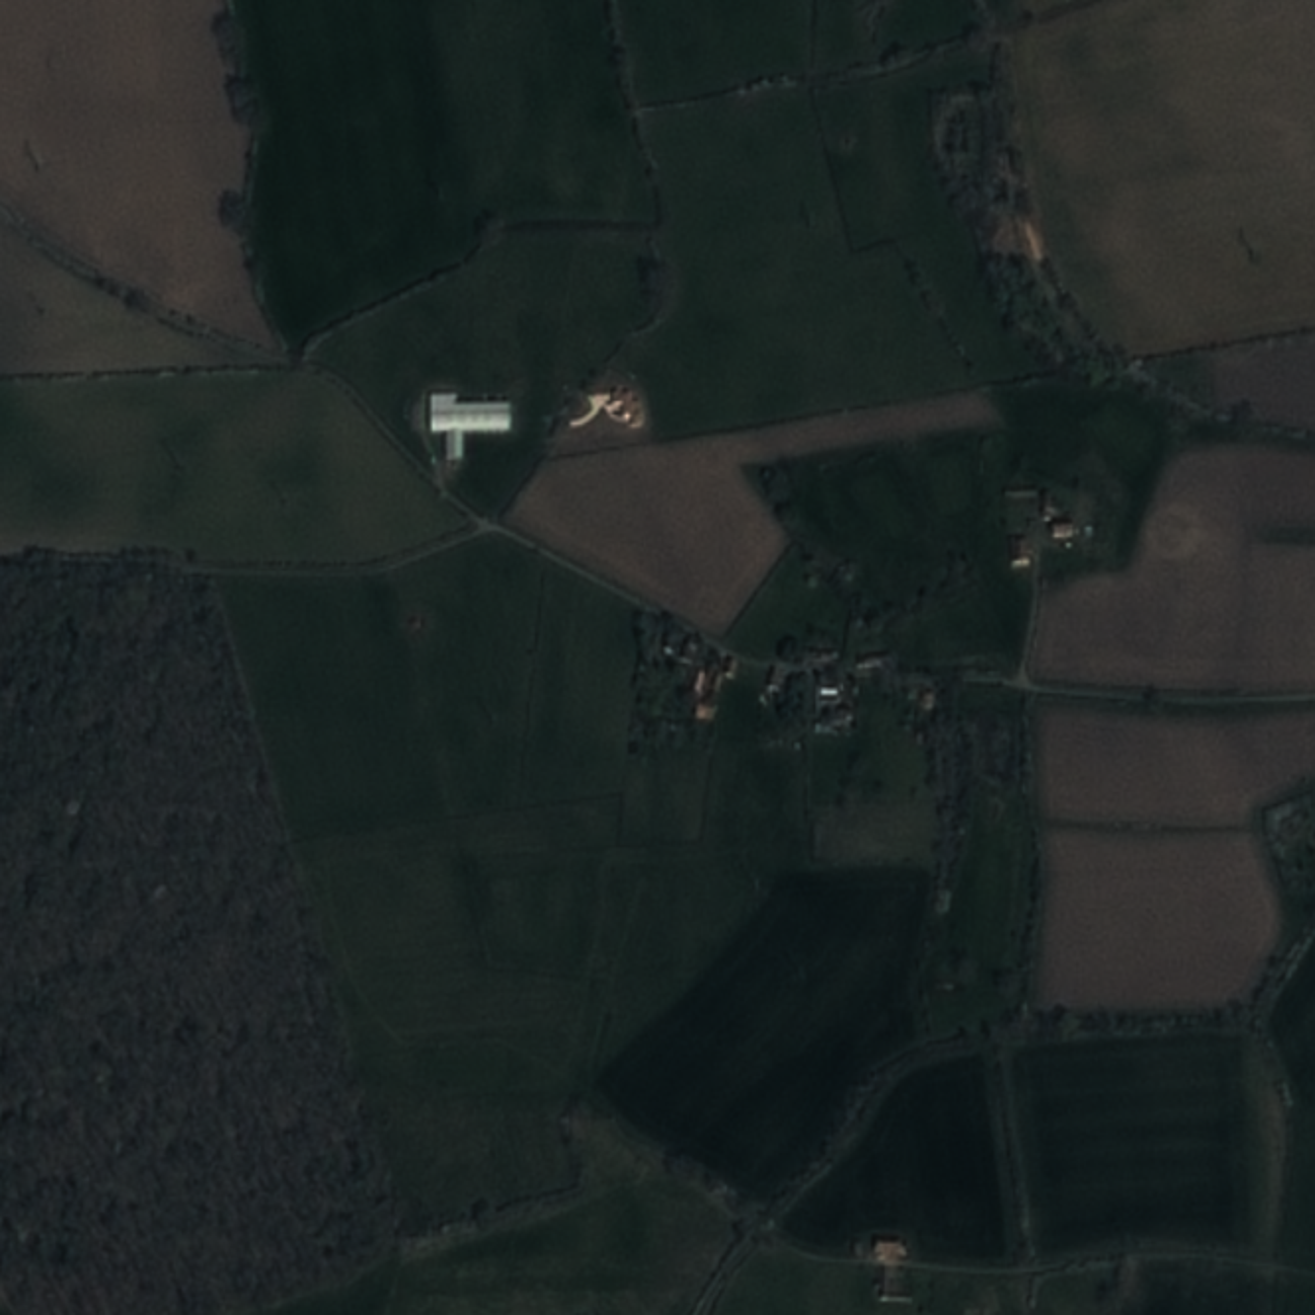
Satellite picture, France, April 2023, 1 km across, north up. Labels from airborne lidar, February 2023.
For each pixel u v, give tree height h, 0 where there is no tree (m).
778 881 0
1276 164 0
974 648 0
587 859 0
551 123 0
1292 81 0
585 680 0
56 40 0
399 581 0
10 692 19
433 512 0
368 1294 0
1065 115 0
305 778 0
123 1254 25
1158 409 0
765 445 0
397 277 0
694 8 0
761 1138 0
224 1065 16
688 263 0
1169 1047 0
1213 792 0
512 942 0
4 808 14
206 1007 17
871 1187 0
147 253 0
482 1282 0
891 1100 0
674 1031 0
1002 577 0
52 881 25
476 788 0
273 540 0
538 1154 0
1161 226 0
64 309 0
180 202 0
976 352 0
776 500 14
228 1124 25
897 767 0
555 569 0
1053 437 0
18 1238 23
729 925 0
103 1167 23
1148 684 0
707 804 0
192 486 0
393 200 0
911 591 0
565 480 0
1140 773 0
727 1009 0
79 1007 18
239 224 22
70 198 0
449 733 0
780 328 0
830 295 0
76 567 10
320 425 0
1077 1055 0
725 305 0
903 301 0
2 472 0
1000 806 0
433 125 0
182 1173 23
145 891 24
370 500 0
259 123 18
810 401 0
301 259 0
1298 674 0
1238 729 0
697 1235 0
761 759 0
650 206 0
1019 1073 0
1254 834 0
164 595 20
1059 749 0
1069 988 0
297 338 0
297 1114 24
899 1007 0
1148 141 0
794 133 0
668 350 0
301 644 0
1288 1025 0
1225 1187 0
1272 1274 0
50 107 0
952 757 9
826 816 0
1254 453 0
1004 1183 0
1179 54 0
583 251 0
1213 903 0
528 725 0
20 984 23
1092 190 0
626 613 0
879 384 0
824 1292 0
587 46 0
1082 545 0
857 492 0
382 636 0
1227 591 0
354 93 0
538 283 0
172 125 0
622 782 0
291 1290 22
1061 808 0
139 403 0
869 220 0
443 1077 0
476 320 0
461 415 0
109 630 22
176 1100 26
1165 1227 0
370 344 0
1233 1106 0
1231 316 0
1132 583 0
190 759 19
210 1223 26
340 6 0
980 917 0
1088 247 0
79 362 0
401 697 0
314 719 0
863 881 0
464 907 0
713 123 0
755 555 0
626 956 0
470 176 0
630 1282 0
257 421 0
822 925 0
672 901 0
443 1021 0
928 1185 0
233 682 17
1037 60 0
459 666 0
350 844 0
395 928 0
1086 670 0
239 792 17
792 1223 0
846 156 0
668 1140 0
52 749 25
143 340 0
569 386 0
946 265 0
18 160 0
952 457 0
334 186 0
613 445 0
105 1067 22
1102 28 0
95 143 0
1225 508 0
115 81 0
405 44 0
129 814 24
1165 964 0
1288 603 0
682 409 0
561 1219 0
